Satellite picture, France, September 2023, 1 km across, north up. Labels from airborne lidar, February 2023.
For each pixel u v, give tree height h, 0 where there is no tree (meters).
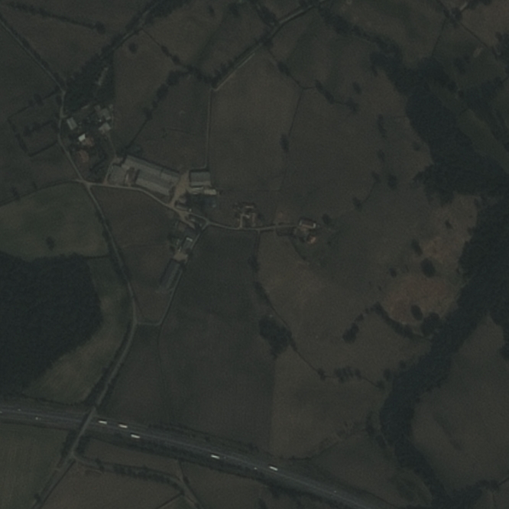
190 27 0
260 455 0
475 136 0
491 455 0
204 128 0
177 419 0
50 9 0
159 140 0
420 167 0
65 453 7
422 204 0
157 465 0
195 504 0
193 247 0
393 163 0
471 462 0
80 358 0
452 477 0
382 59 7
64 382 0
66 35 0
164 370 0
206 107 0
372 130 0
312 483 0
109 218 0
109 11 0
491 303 11
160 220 0
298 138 0
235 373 0
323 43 0
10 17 0
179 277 0
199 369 0
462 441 0
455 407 0
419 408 0
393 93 0
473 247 10
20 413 0
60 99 12
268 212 0
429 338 0
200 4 0
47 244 15
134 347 0
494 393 0
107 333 0
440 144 23
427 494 0
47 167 0
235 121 0
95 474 0
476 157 19
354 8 0
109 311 0
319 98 0
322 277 0
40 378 0
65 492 0
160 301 0
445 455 0
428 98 26
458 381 0
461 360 0
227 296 0
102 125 0
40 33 0
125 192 0
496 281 18
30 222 0
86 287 15
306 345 0
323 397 0
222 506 0
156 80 0
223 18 0
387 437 8
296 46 0
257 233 0
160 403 0
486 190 15
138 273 0
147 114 13
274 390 0
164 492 0
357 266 0
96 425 0
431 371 19
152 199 0
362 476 0
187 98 0
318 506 0
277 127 0
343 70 0
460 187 14
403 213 0
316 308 0
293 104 0
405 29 0
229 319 0
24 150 13
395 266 0
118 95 0
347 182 0
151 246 0
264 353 0
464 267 10
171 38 0
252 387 0
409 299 0
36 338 16
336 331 0
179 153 0
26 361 14
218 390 0
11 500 0
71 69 0
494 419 0
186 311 0
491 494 0
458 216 0
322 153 0
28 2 0
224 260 0
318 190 0
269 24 7
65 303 21
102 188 0
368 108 0
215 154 0
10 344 18
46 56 0
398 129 0
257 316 0
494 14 0
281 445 0
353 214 0
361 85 0
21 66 0
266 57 0
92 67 13
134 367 0
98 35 0
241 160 0
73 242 0
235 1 0
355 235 0
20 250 0
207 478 0
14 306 19
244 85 0
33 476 0
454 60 0
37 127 14
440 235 0
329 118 0
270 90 0
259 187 0
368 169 0
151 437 0
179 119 0
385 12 0
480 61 0
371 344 0
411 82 9
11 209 0
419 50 0
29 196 0
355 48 0
